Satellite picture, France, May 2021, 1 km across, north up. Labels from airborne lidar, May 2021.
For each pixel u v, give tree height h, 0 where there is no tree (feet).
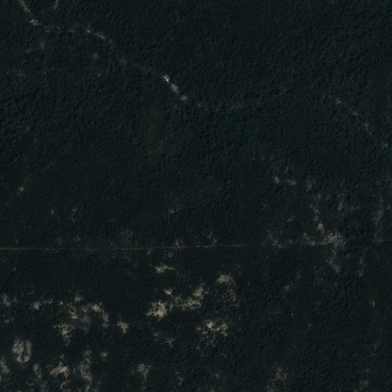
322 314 44
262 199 34
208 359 26
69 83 58
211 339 22
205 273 21
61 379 27
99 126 40
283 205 19
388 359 21
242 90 74
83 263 36
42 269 29
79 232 21
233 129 69
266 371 31
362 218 38
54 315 31
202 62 41
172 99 65
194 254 23
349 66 52
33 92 20
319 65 50
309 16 55
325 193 19
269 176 24
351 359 43
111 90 46
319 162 65
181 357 44
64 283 24
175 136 41
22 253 37
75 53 32
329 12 38
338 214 24
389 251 24
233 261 26
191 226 46
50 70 27
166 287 28
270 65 71
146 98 45
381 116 20
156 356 25
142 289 31
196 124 41
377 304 29
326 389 41
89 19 62
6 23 32
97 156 55
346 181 21
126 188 33
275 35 31
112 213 25
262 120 31
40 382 19
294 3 50
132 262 28
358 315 24
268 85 41
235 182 23
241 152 83
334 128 70
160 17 38
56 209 21
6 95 32
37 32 28
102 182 42
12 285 47
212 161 31
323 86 74
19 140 51
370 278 23
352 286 65
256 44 65
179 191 23
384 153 57
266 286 22
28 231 52
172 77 89
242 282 24
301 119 73
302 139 70
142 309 33
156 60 73
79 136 25
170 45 59
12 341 30
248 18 27
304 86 74
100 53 46
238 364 59
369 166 30
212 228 20
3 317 20
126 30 56
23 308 34
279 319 21
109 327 31
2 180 27
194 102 64
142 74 38
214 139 77
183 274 32
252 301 43
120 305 26
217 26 53
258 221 26
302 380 52
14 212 30
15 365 21
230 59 62
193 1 71
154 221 33
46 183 33
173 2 45
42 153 33
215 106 55
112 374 35
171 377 18
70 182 53
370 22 88
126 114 34
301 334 24
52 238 26
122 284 27
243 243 19
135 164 54
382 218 21
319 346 52
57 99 71
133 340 35
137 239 27
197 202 24
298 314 33
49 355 35
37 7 47
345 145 69
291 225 18
